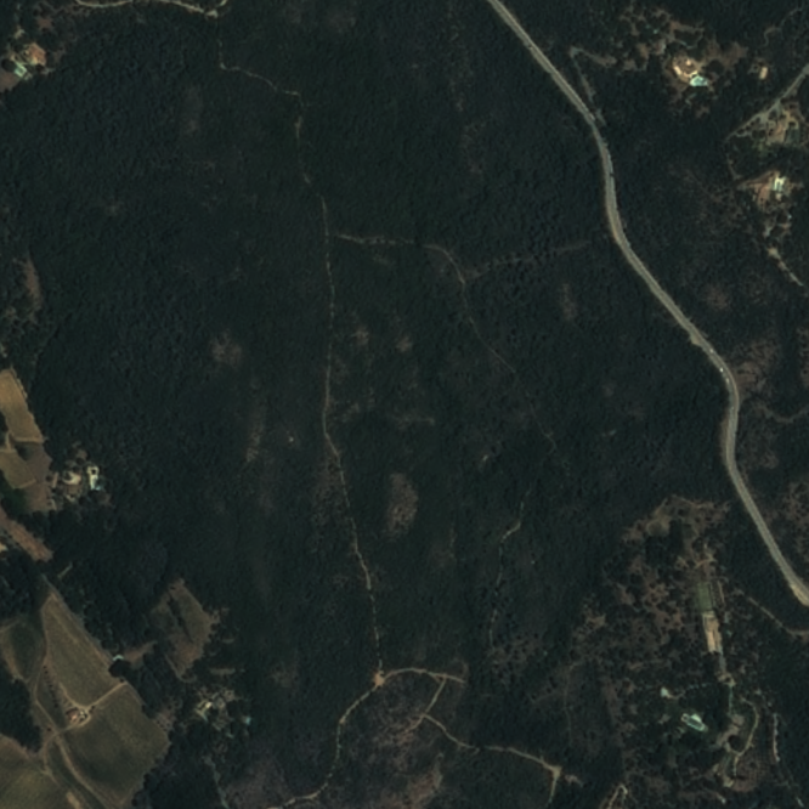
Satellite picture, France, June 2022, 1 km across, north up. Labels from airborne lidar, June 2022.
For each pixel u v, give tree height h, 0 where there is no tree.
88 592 10
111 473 11
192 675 7
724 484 6
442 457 6
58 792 0
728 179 6
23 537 0
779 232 11
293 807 7
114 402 8
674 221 7
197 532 10
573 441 5
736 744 20
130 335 13
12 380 0
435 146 9
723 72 9
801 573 7
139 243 9
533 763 0
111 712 0
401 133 11
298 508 6
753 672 9
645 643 7
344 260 6
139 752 0
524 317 7
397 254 7
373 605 6
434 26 7
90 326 9
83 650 0
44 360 15
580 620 9
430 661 6
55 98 9
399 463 6
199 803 11
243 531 9
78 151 6
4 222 10
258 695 10
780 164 11
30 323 8
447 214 7
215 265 6
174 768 16
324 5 8
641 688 8
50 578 11
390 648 8
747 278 6
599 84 7
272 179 13
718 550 6
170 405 9
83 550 15
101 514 10
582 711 10
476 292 8
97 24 6
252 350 6
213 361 6
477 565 7
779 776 9
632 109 7
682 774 6
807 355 6
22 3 12
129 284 12
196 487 14
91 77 10
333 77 8
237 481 7
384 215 8
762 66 7
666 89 6
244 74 8
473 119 7
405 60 6
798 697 6
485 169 7
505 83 7
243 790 0
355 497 7
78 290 13
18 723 13
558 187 7
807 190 8
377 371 7
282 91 7
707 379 9
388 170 7
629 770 8
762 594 7
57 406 15
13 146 13
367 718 8
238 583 9
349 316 6
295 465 7
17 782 0
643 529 7
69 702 0
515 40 11
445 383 6
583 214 7
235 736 11
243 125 10
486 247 7
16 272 14
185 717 10
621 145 7
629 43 10
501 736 10
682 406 8
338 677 6
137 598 18
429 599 7
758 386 0
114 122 6
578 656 10
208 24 8
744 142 8
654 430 6
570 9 7
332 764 7
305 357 7
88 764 0
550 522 6
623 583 10
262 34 8
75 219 6
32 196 8
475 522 7
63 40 7
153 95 8
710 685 8
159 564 12
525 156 10
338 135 8
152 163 7
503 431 7
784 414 6
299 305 8
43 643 0
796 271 6
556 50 7
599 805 7
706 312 9
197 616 0
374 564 7
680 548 14
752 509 0
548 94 7
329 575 6
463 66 6
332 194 8
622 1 7
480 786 7
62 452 12
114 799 0
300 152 8
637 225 7
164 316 11
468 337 7
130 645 6
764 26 7
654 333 10
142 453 11
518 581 8
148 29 12
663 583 8
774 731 8
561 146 6
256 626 7
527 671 7
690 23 7
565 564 8
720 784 11
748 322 7
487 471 7
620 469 6
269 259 9
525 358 6
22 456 8
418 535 10
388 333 10
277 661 7
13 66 14
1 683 11
